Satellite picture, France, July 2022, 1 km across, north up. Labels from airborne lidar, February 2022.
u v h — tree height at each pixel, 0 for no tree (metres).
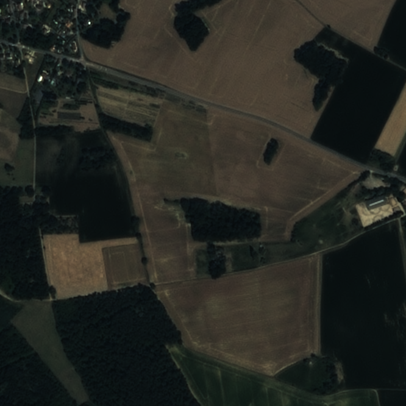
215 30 0
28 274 11
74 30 9
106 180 0
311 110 0
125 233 0
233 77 0
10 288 9
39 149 0
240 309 0
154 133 0
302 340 0
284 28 0
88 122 0
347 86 0
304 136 0
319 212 0
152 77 0
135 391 22
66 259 0
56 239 0
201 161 0
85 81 6
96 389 13
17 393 16
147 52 0
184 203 17
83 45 0
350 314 0
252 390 0
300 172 0
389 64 0
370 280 0
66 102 0
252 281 0
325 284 0
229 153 0
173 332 17
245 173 0
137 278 0
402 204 6
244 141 0
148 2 0
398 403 0
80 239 0
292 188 0
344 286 0
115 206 0
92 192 0
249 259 0
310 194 0
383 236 0
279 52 0
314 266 0
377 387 0
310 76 0
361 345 0
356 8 0
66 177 0
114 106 0
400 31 0
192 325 0
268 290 0
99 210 0
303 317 0
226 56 0
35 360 8
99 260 0
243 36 0
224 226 23
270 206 0
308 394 0
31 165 0
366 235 0
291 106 0
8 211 23
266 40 0
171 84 0
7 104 0
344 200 0
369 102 0
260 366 0
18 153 0
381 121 0
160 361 20
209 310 0
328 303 0
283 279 0
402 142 0
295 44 0
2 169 0
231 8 0
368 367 0
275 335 0
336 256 0
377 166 0
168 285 0
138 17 0
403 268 0
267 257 0
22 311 0
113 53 0
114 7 12
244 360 0
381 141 0
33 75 0
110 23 17
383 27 0
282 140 0
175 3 0
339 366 0
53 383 8
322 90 23
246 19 0
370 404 0
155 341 14
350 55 0
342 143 0
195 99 0
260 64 0
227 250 0
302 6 0
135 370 24
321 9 0
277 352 0
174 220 0
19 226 24
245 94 0
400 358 0
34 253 9
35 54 0
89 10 20
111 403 18
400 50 0
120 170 0
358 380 0
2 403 27
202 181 0
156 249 0
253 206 0
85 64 0
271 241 0
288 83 0
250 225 24
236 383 0
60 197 0
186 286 0
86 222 0
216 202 0
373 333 0
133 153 0
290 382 0
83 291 0
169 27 0
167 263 0
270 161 15
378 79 0
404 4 0
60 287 0
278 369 0
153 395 22
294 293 0
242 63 0
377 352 0
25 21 13
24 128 11
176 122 0
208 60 0
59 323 8
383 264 0
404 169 0
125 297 21
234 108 0
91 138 0
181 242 0
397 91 0
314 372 0
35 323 0
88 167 10
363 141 0
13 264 17
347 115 0
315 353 0
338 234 0
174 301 0
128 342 25
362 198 0
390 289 0
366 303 0
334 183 0
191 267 0
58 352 0
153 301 14
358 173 0
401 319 0
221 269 19
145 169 0
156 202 0
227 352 0
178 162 0
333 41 0
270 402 0
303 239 0
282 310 0
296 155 0
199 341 0
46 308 0
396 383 0
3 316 0
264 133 0
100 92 0
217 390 0
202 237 21
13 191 15
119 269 0
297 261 0
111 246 0
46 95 23
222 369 0
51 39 12
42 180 0
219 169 0
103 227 0
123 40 0
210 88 0
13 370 19
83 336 13
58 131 12
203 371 0
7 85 0
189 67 0
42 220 18
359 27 0
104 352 16
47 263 0
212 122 0
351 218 0
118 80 0
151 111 0
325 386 17
